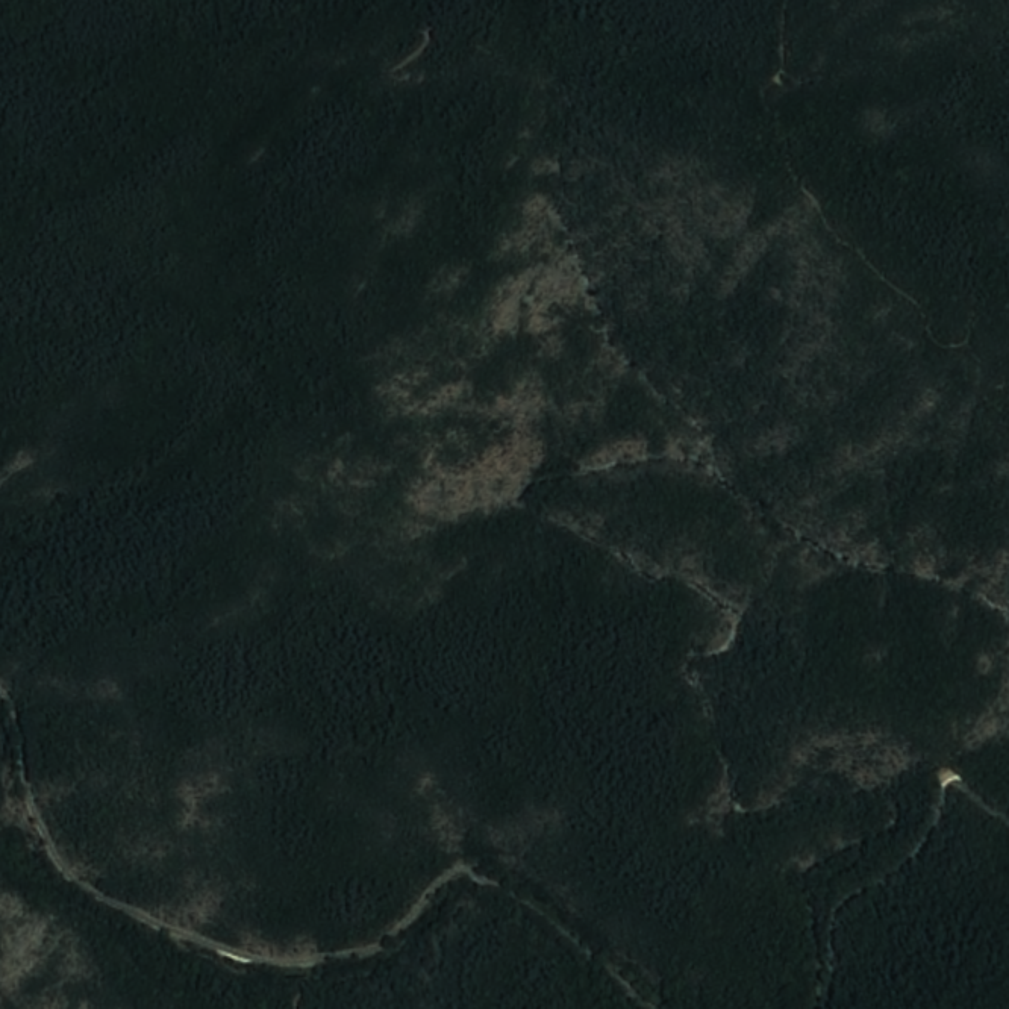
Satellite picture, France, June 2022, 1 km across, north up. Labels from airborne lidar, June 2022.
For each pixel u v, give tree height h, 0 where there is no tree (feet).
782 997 36
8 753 31
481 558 22
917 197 35
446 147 19
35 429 18
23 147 27
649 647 51
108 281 49
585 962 43
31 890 45
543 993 54
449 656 45
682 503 20
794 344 20
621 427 20
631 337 28
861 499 29
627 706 63
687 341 36
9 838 25
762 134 21
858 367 20
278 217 42
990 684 25
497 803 21
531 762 34
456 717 21
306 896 24
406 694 51
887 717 21
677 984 37
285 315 49
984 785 49
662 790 17
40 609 46
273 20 33
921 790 32
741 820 36
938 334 24
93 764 23
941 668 20
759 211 26
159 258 21
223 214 31
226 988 41
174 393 19
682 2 53
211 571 21
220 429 20
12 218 26
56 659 20
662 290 26
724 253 23
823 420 25
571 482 18
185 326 49
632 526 23
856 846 27
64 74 34
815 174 22
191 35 32
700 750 34
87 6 46
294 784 45
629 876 43
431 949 19
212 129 21
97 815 23
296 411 37
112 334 43
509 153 22
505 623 39
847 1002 39
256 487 19
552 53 28
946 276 27
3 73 40
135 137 38
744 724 21
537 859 23
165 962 44
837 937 41
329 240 17
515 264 21
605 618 43
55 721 28
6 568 25
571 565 34
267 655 37
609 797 45
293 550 25
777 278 27
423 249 29
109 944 29
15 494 27
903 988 35
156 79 18
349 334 40
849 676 21
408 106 23
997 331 23
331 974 30
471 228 32
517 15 33
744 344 21
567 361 25
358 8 23
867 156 26
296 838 47
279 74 21
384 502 20
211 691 34
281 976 28
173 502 43
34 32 29
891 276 21
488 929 35
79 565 39
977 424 22
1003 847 34
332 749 50
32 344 31
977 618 30
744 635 23
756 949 49
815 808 36
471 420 20
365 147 40
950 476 27
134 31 45
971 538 22
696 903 40
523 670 36
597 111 26
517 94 19
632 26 48
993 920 41
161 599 51
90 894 27
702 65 45
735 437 26
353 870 24
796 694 22
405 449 21
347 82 24
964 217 23
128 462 25
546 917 55
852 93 18
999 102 19
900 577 24
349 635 61
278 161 24
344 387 30
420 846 24
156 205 33
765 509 34
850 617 19
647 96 30
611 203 18
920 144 18
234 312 23
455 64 18
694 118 18
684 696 18
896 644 19
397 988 28
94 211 27
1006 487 26
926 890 24
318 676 52
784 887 53
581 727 62
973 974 37
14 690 20
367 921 44
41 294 49
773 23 37
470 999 39
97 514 47
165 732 19
